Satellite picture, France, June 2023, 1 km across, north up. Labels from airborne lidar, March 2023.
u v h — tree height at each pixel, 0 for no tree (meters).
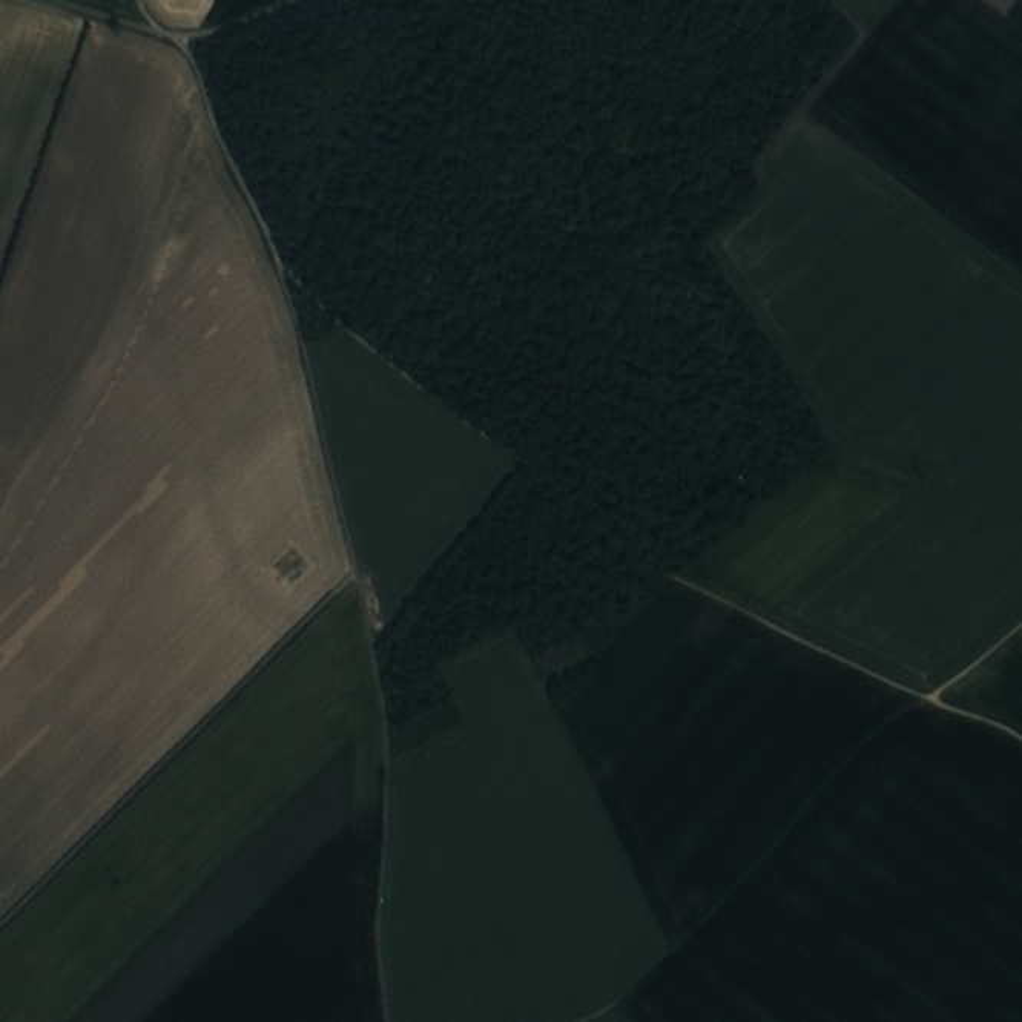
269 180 12
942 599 0
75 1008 0
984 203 0
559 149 17
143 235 0
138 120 0
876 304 0
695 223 16
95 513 0
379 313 12
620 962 0
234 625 0
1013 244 0
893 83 0
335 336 0
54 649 0
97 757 0
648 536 21
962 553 0
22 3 0
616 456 20
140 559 0
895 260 0
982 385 0
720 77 22
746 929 0
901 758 0
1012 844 0
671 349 15
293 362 0
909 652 0
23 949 0
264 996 0
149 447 0
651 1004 0
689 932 0
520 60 19
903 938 0
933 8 0
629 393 20
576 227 10
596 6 16
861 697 0
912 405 0
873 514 0
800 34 17
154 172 0
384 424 0
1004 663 0
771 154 0
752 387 17
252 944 0
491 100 22
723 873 0
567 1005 0
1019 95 0
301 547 0
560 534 12
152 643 0
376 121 19
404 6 19
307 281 18
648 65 21
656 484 13
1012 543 0
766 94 14
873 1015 0
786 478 14
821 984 0
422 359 11
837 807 0
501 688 0
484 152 23
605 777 0
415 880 0
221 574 0
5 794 0
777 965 0
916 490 0
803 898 0
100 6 0
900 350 0
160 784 0
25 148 0
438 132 27
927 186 0
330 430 0
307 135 6
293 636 0
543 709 0
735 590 0
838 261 0
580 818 0
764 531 0
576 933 0
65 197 0
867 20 0
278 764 0
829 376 0
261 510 0
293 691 0
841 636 0
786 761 0
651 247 14
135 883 0
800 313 0
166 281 0
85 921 0
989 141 0
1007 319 0
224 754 0
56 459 0
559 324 18
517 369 17
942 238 0
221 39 15
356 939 0
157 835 0
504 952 0
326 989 0
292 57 13
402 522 0
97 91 0
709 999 0
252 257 0
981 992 0
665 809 0
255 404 0
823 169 0
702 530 20
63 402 0
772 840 0
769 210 0
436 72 10
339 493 0
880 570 0
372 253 23
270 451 0
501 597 21
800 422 20
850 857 0
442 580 15
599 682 0
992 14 0
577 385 20
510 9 21
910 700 0
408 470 0
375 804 0
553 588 20
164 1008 0
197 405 0
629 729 0
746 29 12
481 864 0
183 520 0
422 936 0
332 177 14
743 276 0
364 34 6
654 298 19
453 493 0
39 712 0
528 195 20
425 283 20
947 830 0
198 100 0
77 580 0
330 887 0
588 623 7
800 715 0
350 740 0
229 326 0
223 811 0
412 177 24
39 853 0
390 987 0
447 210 17
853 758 0
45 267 0
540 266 22
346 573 0
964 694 0
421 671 19
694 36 19
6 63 0
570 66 13
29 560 0
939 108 0
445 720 0
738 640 0
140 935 0
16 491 0
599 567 21
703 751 0
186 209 0
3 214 0
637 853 0
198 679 0
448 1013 0
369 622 0
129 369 0
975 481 0
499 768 0
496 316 21
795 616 0
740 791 0
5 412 0
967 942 0
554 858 0
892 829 0
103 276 0
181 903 0
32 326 0
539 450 19
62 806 0
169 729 0
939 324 0
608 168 19
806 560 0
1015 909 0
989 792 0
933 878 0
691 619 0
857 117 0
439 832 0
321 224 19
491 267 17
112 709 0
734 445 20
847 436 0
